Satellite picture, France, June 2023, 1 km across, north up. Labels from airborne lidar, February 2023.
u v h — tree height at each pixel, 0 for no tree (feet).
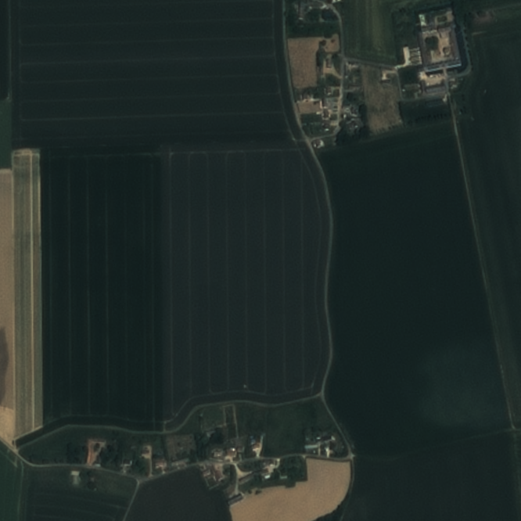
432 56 0
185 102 0
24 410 0
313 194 0
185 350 0
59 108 0
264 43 0
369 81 0
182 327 0
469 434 0
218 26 0
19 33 0
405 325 0
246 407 0
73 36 0
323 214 0
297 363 0
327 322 0
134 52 0
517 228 0
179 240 0
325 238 0
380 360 0
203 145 0
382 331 0
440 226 0
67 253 0
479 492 0
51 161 0
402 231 0
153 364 0
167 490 0
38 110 0
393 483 0
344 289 0
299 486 0
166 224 0
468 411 0
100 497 0
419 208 0
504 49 0
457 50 0
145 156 0
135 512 0
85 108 0
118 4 0
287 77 0
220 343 0
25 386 0
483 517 0
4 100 0
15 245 0
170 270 0
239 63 0
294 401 0
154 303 0
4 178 0
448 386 0
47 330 0
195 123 0
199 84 0
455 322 0
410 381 0
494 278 0
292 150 0
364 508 0
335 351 0
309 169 0
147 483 0
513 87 0
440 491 0
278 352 0
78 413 0
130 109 0
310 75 0
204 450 27
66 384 0
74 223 0
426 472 0
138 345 0
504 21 0
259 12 0
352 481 0
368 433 0
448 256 0
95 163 0
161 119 0
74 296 0
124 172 0
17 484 0
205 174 0
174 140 0
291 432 0
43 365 0
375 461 0
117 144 0
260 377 0
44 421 0
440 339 0
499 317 0
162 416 0
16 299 0
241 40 0
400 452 0
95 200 0
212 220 0
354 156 0
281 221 0
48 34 0
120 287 0
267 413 0
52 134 0
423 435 0
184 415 0
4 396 0
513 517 0
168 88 0
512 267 0
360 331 0
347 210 0
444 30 0
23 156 0
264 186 0
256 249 0
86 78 0
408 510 0
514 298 0
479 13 34
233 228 0
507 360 0
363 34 0
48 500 0
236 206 0
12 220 0
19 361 0
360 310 0
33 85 0
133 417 0
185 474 0
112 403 0
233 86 0
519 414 0
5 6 0
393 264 0
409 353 0
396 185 0
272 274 0
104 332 0
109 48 0
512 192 0
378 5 0
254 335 0
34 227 0
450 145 0
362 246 0
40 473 0
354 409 0
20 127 0
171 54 0
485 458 0
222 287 0
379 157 0
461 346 0
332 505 0
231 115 0
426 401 0
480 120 0
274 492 0
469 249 0
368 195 0
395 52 0
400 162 0
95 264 0
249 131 0
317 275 0
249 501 0
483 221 0
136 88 0
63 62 0
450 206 0
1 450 0
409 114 0
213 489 0
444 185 0
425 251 0
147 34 0
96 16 0
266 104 0
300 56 0
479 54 0
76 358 0
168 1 0
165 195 0
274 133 0
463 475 0
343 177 0
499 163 0
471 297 0
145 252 0
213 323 0
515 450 0
